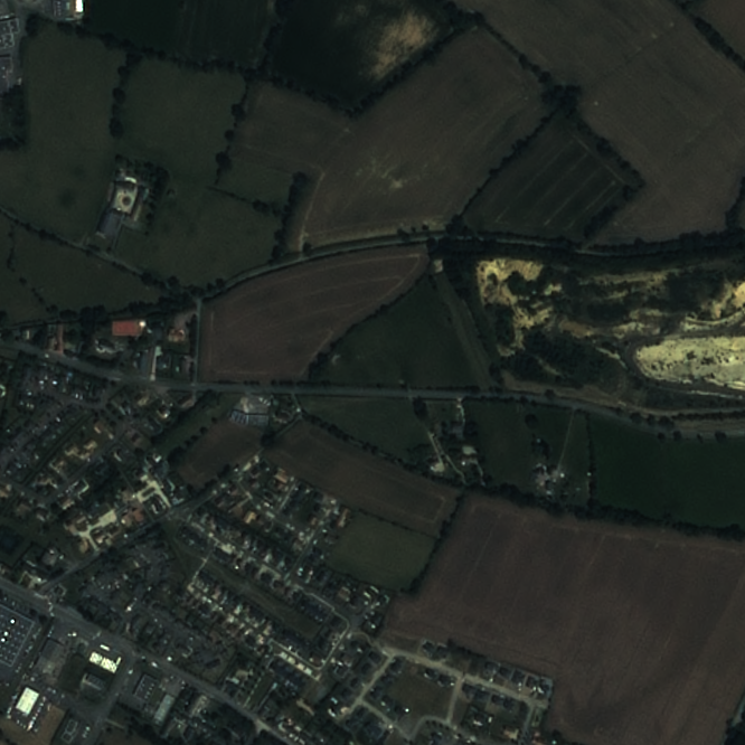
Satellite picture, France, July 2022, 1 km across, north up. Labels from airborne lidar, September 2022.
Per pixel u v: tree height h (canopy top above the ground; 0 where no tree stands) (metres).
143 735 9
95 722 0
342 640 0
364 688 0
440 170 0
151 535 11
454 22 14
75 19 0
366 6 0
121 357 7
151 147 0
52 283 0
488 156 0
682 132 0
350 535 0
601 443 0
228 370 0
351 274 0
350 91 0
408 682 0
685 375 0
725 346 0
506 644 0
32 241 0
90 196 0
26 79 0
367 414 0
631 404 0
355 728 7
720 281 7
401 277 0
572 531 0
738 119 0
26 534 0
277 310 0
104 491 6
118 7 0
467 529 0
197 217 0
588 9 0
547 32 0
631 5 0
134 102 0
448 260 8
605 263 7
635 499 0
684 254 12
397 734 0
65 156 0
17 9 0
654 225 0
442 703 0
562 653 0
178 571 0
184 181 0
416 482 0
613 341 0
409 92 0
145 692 0
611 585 0
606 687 0
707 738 0
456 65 0
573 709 0
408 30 0
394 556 0
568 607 0
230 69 16
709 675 0
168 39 0
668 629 0
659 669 0
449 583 0
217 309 0
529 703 0
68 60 0
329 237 0
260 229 0
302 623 0
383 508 0
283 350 0
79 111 0
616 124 0
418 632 0
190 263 0
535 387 0
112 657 0
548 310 0
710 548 0
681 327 0
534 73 12
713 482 0
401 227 0
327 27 0
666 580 0
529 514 0
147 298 0
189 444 11
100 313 16
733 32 0
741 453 0
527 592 0
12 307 0
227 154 6
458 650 8
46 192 0
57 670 0
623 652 0
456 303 0
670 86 0
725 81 0
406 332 0
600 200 0
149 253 0
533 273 0
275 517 0
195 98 0
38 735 0
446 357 0
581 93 10
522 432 0
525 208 0
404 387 7
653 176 0
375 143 0
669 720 0
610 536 0
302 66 0
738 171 0
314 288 0
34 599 0
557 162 0
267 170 0
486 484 12
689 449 0
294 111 0
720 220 0
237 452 0
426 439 0
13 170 0
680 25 0
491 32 7
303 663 0
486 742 0
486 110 0
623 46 0
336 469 0
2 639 0
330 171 0
